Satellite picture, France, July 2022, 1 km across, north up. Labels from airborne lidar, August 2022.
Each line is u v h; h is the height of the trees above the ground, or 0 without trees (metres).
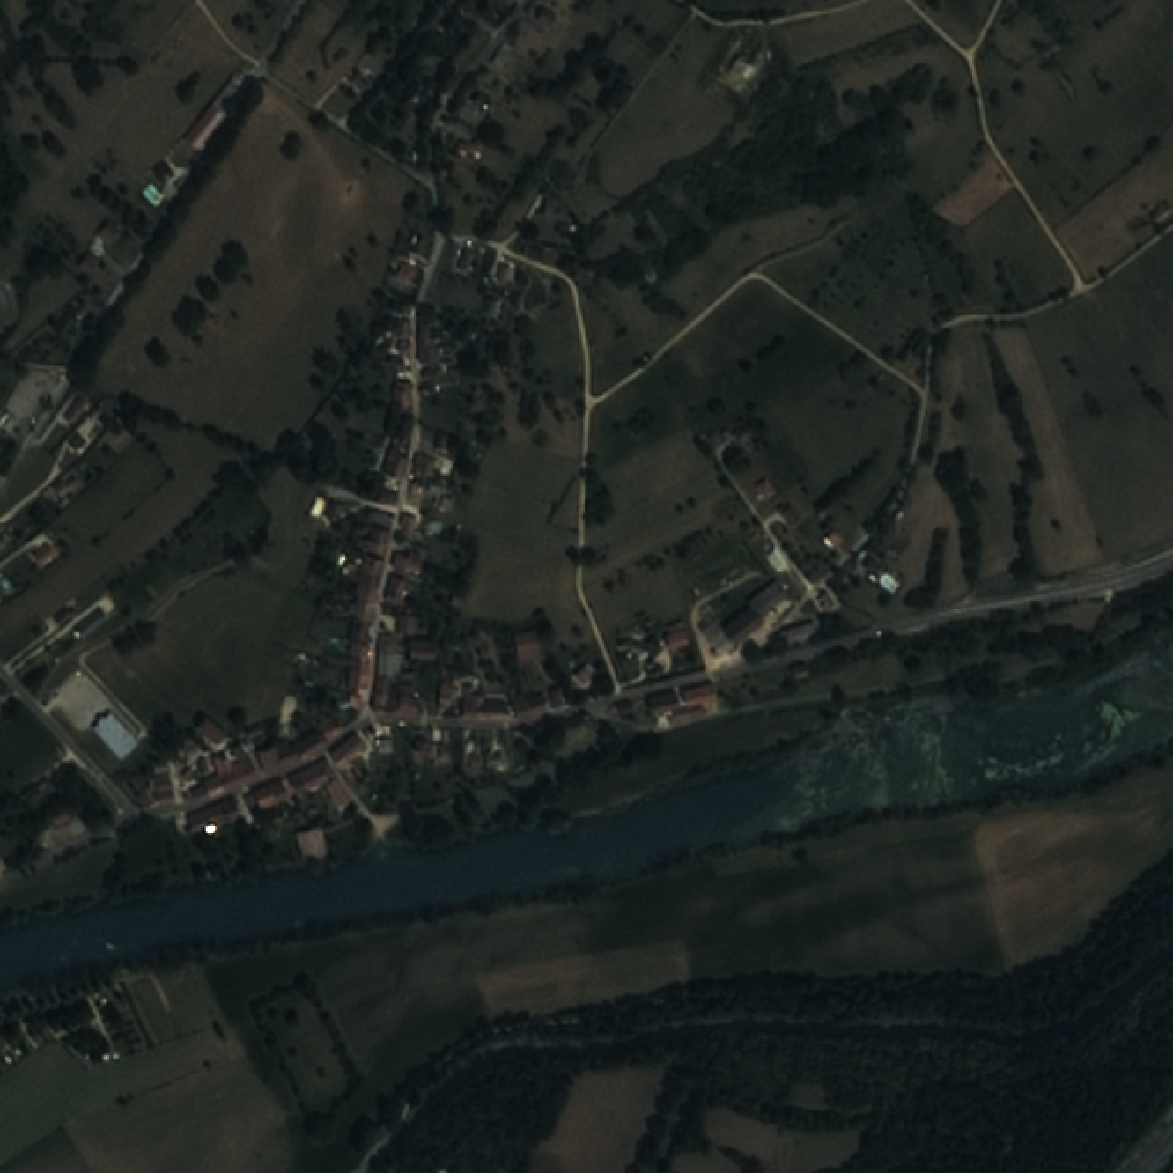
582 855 0
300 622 0
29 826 12
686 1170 0
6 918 9
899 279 0
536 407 6
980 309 0
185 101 10
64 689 0
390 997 0
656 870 17
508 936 0
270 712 0
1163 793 0
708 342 0
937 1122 10
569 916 0
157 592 0
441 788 7
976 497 10
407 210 9
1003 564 0
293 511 0
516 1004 0
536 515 0
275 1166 0
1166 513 0
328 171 0
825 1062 13
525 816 16
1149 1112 12
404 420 11
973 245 0
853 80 0
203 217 0
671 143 0
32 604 0
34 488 0
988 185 0
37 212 0
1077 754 0
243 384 0
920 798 0
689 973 0
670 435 0
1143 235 0
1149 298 0
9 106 6
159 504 0
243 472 16
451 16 8
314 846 0
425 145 11
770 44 0
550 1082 11
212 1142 0
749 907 0
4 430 5
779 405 0
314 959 0
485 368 6
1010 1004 26
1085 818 0
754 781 0
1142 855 0
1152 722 0
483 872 0
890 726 0
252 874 14
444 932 0
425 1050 0
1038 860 0
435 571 7
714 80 0
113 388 0
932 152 0
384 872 0
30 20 6
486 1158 21
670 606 0
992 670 16
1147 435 0
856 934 0
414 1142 13
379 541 0
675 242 8
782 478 0
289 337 0
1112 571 0
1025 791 11
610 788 0
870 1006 19
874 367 0
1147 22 0
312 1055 0
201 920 0
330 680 0
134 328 0
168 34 0
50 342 8
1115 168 0
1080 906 0
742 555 0
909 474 10
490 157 0
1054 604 8
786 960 0
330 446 20
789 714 0
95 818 20
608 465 0
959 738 0
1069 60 0
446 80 13
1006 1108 13
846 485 9
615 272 13
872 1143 14
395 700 0
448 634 5
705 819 0
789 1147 0
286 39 8
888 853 0
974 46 0
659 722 0
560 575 0
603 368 0
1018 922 0
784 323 0
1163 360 0
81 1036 11
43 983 19
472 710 0
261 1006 9
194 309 19
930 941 0
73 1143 0
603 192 0
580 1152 0
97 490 0
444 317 9
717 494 0
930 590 8
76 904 8
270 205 0
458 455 6
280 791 0
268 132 0
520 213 0
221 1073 0
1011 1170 17
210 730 0
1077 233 0
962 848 0
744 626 0
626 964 0
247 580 0
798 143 9
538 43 0
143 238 10
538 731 8
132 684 0
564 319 0
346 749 0
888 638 14
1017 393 15
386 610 6
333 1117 7
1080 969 20
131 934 0
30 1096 0
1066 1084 15
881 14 0
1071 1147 17
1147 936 23
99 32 6
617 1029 27
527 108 0
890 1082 10
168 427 11
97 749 0
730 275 0
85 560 0
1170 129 0
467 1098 17
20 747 0
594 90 0
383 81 11
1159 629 18
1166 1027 11
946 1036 19
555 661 9
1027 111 0
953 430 0
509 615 0
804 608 0
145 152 0
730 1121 0
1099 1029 22
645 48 0
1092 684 0
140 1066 0
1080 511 0
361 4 10
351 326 21
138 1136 0
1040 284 0
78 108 0
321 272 0
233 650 0
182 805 0
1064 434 0
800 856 9
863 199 13
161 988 0
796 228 0
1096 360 0
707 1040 12
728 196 8
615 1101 0
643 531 0
